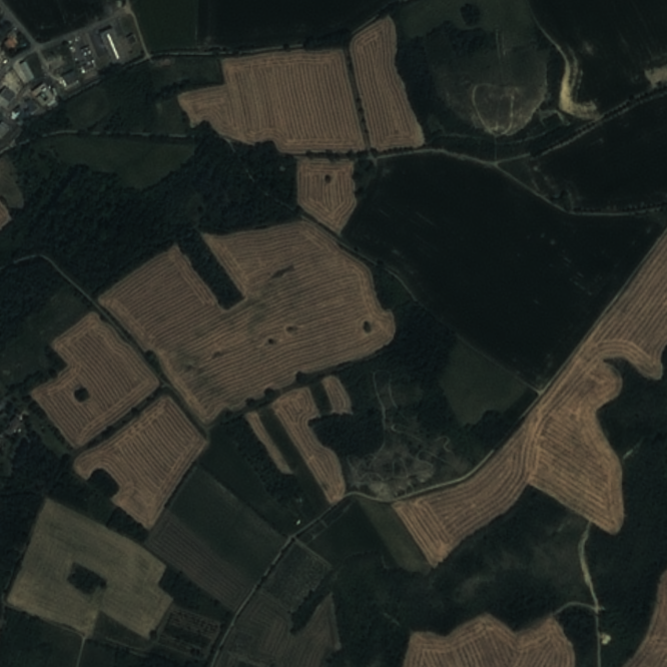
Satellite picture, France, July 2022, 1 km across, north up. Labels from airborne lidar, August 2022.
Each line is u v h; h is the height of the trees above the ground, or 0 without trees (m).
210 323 0
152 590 0
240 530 0
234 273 0
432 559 0
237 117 0
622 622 8
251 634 0
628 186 0
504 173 0
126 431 0
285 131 0
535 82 0
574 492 0
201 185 16
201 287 0
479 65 0
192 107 0
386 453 0
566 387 0
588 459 0
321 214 0
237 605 0
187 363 0
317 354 0
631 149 0
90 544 0
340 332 0
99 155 0
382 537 0
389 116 0
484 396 0
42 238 12
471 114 0
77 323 0
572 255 0
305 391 0
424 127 6
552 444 0
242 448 7
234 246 0
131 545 0
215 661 0
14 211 11
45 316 0
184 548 0
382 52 0
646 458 7
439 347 13
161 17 0
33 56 0
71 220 26
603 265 0
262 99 0
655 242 0
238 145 13
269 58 0
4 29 15
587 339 0
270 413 0
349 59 6
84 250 13
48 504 0
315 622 0
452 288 0
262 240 0
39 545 0
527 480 0
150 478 0
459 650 0
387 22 0
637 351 0
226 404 0
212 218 10
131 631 0
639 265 0
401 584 8
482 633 0
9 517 12
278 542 0
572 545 0
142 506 0
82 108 0
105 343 0
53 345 0
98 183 21
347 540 0
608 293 0
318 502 0
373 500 0
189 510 0
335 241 0
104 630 0
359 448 7
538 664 0
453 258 0
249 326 0
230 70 0
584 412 0
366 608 9
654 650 0
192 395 0
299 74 0
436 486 0
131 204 16
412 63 6
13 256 9
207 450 0
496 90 0
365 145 0
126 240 13
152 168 0
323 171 0
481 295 0
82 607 0
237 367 0
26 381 9
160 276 0
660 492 8
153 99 10
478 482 0
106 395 0
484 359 0
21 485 8
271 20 0
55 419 0
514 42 0
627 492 11
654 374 0
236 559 0
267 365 0
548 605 11
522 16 0
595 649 7
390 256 0
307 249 0
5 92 0
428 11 0
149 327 0
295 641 0
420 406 9
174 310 0
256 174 8
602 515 0
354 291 0
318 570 0
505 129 0
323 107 0
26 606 0
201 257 12
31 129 11
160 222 12
